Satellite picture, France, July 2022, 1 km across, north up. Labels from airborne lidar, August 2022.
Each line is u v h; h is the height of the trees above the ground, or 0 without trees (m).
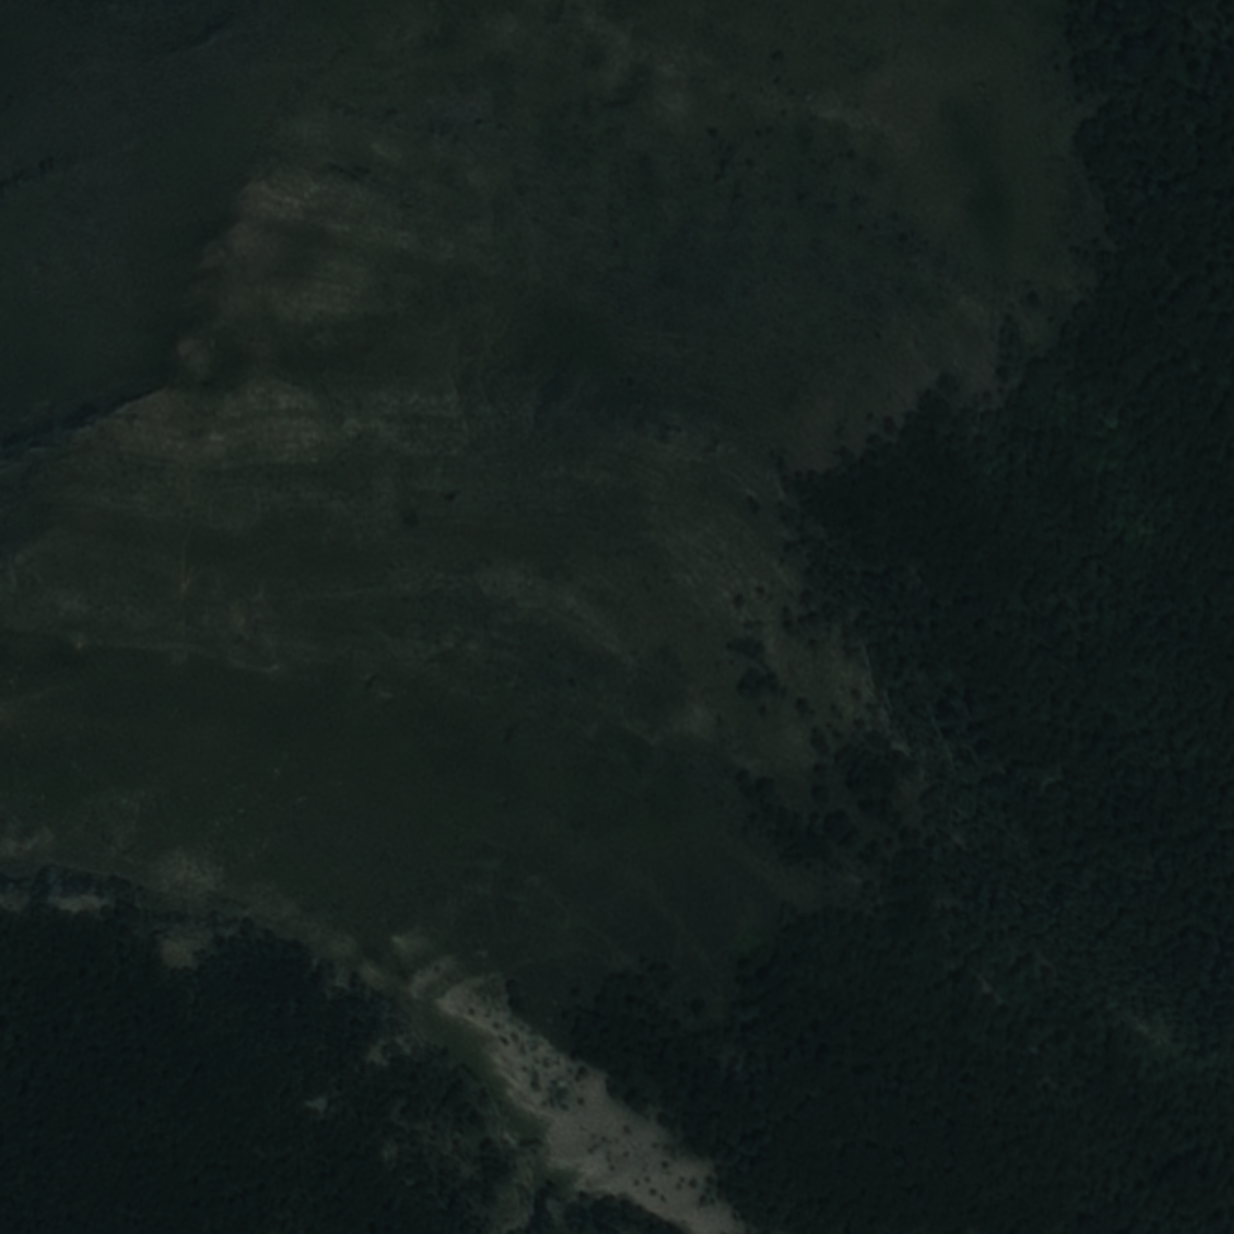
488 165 0
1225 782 7
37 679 0
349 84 0
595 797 0
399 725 0
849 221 0
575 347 0
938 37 0
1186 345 12
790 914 14
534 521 0
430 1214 15
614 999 13
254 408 0
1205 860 17
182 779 0
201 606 0
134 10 0
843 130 0
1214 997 29
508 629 0
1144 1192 16
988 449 10
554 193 0
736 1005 8
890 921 15
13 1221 19
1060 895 27
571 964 0
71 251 0
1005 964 18
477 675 0
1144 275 18
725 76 0
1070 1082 17
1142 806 19
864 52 0
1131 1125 24
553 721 0
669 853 0
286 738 0
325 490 0
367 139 0
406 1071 15
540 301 0
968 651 27
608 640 0
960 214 0
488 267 0
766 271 0
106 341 0
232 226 0
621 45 0
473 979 0
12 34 0
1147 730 17
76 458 0
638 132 0
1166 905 25
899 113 0
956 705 27
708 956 0
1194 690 21
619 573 0
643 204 0
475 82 0
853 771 8
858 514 19
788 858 6
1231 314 17
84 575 0
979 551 26
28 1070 16
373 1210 17
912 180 0
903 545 18
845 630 8
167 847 0
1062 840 21
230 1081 12
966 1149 27
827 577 14
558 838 0
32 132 0
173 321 0
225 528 0
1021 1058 14
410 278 0
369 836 0
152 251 0
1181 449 26
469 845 0
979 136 0
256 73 0
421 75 0
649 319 0
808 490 15
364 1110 17
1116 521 18
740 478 0
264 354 0
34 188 0
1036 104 0
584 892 0
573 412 0
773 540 0
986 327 0
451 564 0
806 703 9
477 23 0
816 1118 24
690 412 0
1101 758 21
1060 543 19
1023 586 18
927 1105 23
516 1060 0
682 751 0
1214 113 22
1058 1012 23
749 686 15
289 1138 12
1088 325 9
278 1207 12
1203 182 21
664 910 0
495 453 0
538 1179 0
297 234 0
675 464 0
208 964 11
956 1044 25
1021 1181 26
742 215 0
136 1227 12
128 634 0
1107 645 11
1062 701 24
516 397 0
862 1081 16
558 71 0
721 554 0
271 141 0
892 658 20
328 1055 15
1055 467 25
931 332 0
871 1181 25
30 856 0
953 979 19
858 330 0
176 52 0
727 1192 15
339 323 0
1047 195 0
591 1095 0
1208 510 19
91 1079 19
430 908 0
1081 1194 27
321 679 0
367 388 0
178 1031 12
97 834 0
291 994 12
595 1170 0
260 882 0
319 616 0
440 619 0
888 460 14
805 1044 18
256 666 0
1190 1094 15
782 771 0
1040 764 17
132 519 0
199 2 0
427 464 0
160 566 0
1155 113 14
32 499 0
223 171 0
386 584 0
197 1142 15
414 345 0
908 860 9
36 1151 23
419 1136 10
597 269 0
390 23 0
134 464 0
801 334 0
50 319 0
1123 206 18
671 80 0
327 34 0
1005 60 0
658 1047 14
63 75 0
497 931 0
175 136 0
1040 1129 24
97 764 0
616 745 0
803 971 28
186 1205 18
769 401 0
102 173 0
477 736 0
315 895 0
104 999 17
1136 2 34
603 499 0
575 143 0
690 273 0
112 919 10
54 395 0
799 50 0
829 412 0
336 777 0
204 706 0
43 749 0
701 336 0
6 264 0
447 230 0
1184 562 20
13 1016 19
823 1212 16
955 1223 19
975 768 29
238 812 0
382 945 0
